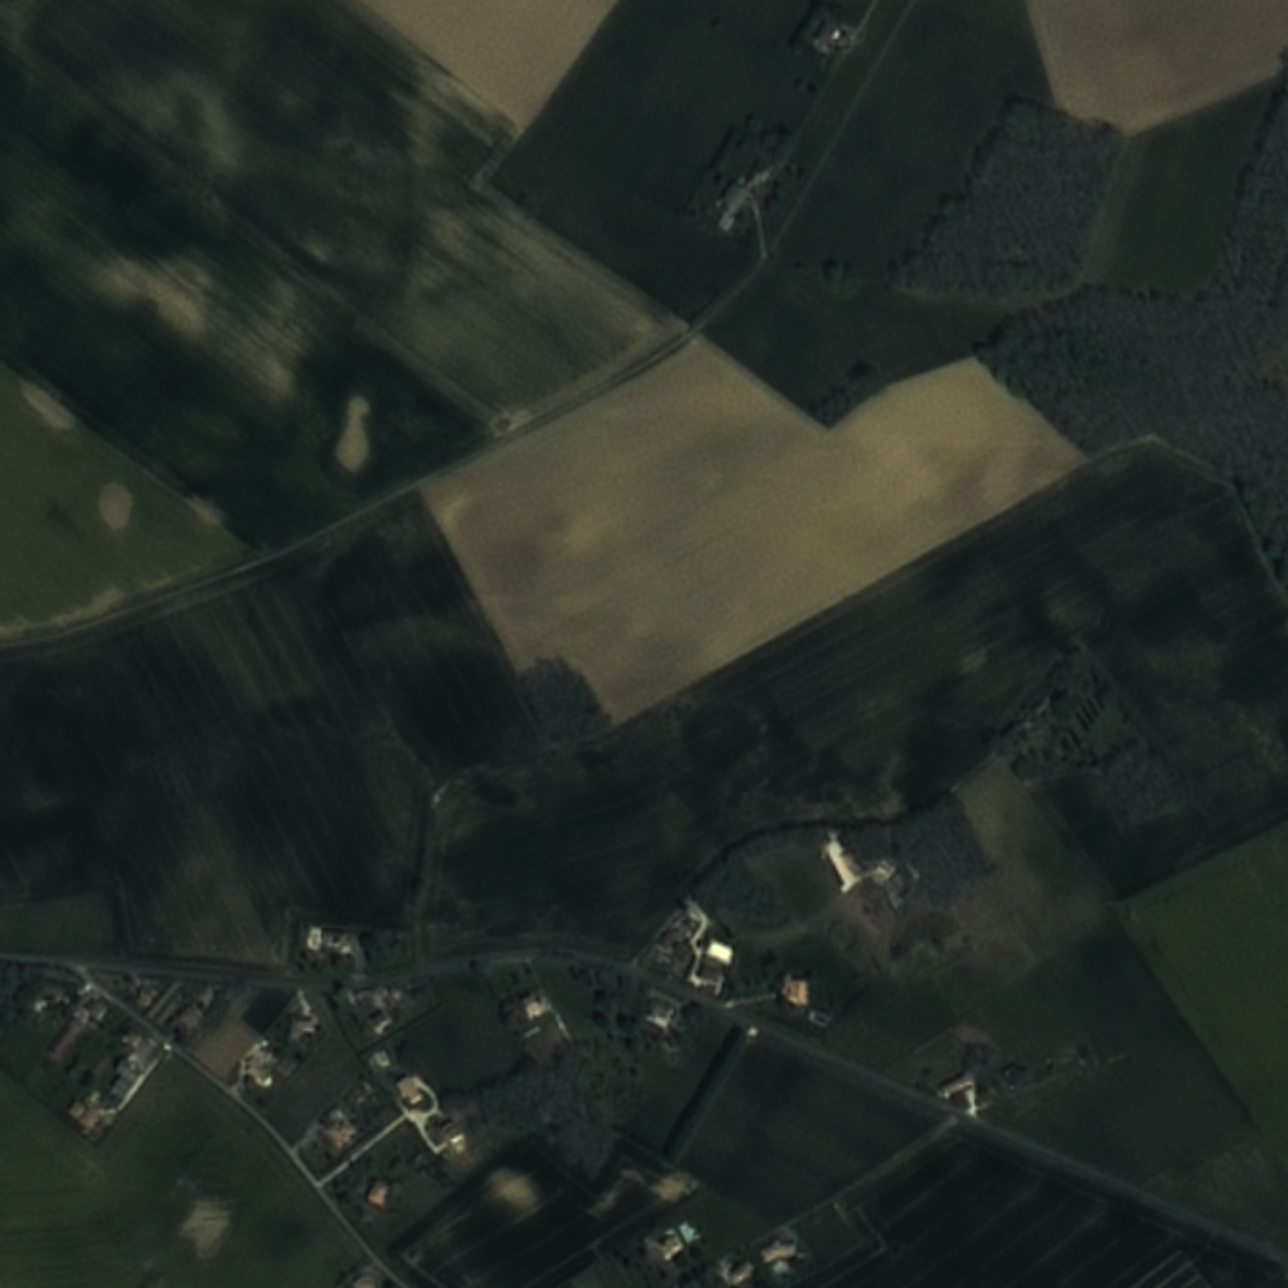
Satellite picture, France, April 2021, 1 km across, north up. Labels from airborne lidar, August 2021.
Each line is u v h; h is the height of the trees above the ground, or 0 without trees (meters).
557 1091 17
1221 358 17
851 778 0
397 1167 9
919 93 0
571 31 0
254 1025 0
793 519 0
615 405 0
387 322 0
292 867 0
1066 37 0
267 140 0
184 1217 0
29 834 0
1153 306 11
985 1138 0
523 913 0
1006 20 0
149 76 0
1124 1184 0
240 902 0
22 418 0
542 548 0
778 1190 0
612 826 0
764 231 0
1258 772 0
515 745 0
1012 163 20
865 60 0
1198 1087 0
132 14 0
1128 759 15
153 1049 0
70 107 0
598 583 0
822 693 0
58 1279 0
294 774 0
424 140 0
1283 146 18
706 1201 0
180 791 0
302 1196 0
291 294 0
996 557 0
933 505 0
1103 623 0
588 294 0
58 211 0
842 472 0
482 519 0
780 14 0
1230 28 0
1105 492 0
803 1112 0
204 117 0
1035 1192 0
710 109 0
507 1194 0
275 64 0
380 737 0
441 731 0
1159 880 0
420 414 0
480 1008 0
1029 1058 0
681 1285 0
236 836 0
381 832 0
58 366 0
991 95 0
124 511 0
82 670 0
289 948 0
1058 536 0
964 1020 0
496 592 0
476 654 0
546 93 0
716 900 16
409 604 0
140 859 0
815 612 0
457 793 0
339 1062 0
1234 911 0
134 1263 0
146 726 0
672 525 0
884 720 0
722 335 0
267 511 0
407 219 0
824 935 0
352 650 0
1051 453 0
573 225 0
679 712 0
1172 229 0
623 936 0
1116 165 16
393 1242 0
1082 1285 0
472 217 0
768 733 0
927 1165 0
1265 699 0
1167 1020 0
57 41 0
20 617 0
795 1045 0
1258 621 0
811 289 0
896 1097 0
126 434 0
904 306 0
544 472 0
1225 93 0
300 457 0
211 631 0
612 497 0
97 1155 0
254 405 0
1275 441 15
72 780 0
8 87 0
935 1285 0
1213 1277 0
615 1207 0
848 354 0
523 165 0
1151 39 0
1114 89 0
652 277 0
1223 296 9
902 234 0
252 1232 0
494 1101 11
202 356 0
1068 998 0
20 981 12
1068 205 16
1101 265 0
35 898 0
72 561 0
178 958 0
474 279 0
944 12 0
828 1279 0
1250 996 0
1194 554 0
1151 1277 0
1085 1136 0
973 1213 0
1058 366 22
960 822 18
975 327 0
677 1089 0
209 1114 0
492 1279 0
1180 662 0
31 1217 0
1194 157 0
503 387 0
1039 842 0
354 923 0
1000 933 0
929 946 0
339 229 0
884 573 0
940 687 0
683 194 0
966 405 0
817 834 15
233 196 0
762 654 0
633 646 0
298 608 0
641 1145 7
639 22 0
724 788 0
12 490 0
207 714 0
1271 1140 0
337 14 0
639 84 0
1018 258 22
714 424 0
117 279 0
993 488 0
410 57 0
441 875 0
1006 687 0
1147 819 11
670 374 0
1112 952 0
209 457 0
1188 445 15
